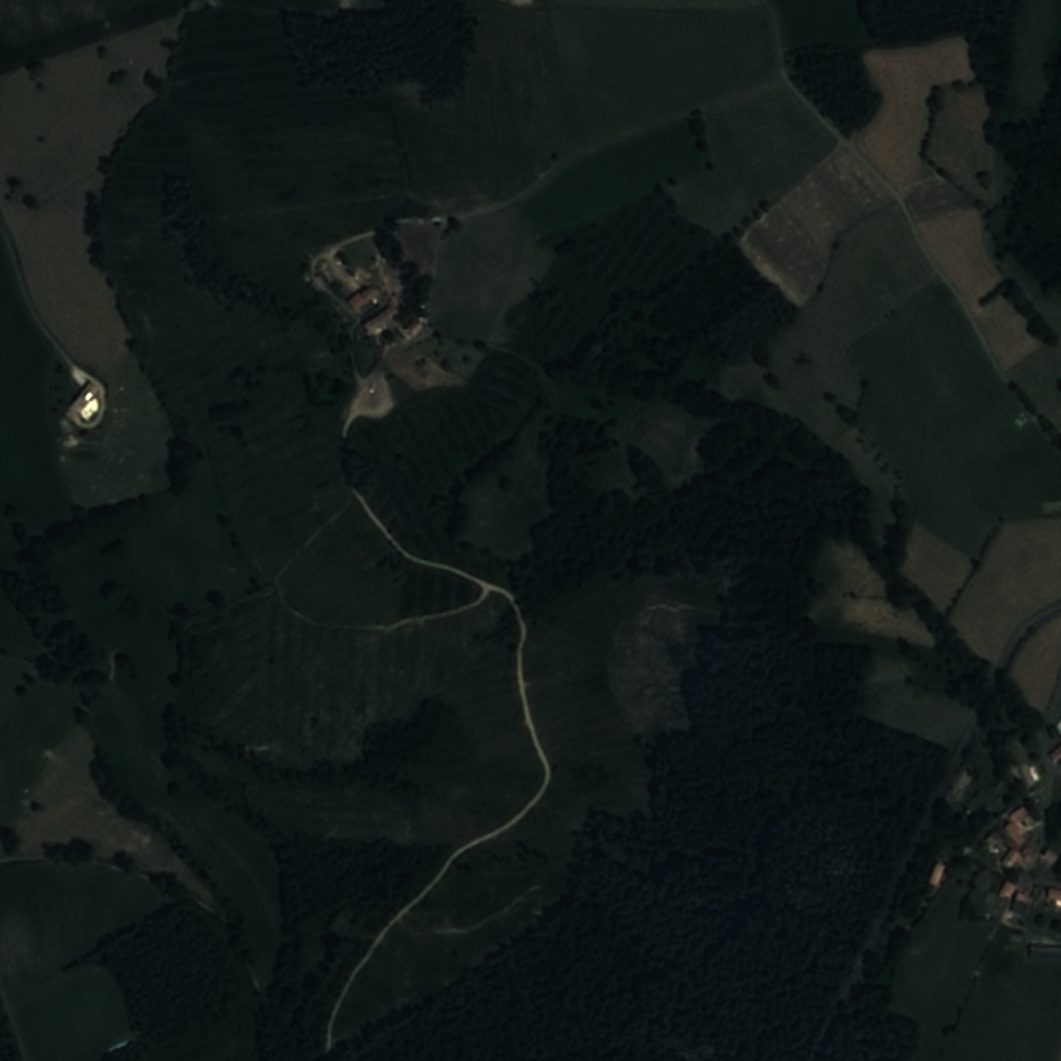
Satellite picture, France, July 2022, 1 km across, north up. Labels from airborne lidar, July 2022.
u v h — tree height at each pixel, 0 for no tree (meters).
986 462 0
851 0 0
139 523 0
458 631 0
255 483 0
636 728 16
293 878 15
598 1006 15
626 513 13
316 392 16
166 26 0
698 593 0
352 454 23
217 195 0
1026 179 13
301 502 0
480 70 0
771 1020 31
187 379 0
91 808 0
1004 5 32
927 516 0
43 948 0
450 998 12
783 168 0
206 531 0
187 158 0
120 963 20
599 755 0
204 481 0
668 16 0
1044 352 0
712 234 13
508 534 0
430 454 0
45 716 0
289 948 15
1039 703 0
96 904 0
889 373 0
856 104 10
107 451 0
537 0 0
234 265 0
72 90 0
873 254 0
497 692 0
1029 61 0
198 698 0
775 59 0
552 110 0
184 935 19
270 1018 18
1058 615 0
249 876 0
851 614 0
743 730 24
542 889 0
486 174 0
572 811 0
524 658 0
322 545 0
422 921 0
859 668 22
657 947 25
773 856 37
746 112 0
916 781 27
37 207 9
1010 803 13
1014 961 0
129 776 0
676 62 0
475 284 0
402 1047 10
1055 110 14
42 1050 0
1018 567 0
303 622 0
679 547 15
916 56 0
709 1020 35
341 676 0
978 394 0
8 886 0
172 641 8
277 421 0
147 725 0
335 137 0
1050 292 13
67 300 0
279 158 0
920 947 0
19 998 0
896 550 20
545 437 11
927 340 0
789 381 0
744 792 14
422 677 0
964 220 0
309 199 0
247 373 12
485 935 0
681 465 0
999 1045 0
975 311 0
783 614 20
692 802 18
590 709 0
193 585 0
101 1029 0
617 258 0
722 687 34
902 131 0
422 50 20
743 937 42
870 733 22
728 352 26
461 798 0
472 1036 17
